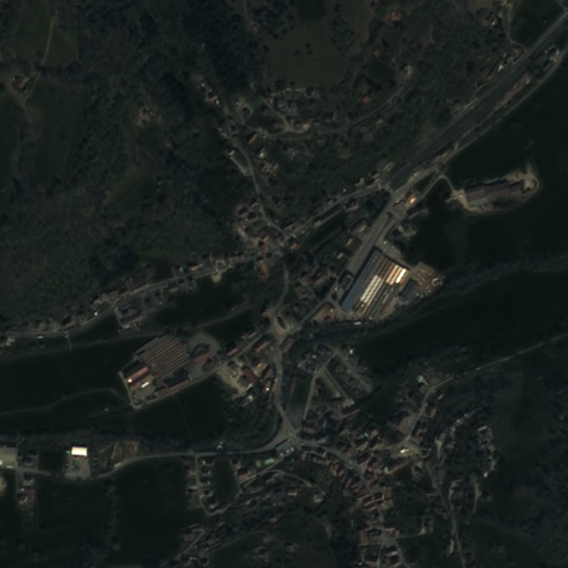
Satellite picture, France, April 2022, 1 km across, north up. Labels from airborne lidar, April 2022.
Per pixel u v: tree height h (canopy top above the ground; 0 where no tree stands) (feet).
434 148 0
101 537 0
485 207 0
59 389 0
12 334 0
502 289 0
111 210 69
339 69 0
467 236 0
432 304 0
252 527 19
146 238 94
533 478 0
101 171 90
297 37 0
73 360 0
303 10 0
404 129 95
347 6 0
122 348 0
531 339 0
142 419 0
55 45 0
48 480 0
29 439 65
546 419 0
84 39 91
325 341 54
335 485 22
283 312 0
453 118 0
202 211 68
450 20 89
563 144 0
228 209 0
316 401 29
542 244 0
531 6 0
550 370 0
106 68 109
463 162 0
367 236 0
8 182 0
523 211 0
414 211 0
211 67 20
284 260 30
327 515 33
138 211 0
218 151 0
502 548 32
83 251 68
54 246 85
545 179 0
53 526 0
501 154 0
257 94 62
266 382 0
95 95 46
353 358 0
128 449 0
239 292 0
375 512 0
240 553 0
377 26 58
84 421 0
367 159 74
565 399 36
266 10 50
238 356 0
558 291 0
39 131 0
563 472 66
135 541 0
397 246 45
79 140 0
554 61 0
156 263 0
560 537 47
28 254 53
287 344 0
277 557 0
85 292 85
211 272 0
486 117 0
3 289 82
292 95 19
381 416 0
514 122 26
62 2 81
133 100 67
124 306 0
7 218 45
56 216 79
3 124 0
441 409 0
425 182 0
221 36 72
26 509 0
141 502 0
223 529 0
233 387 0
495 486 0
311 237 0
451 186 0
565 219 0
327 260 24
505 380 0
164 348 0
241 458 43
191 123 83
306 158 37
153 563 0
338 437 37
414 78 0
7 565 0
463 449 0
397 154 61
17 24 69
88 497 0
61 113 0
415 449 0
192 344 0
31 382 0
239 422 0
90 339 0
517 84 0
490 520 49
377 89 48
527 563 0
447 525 52
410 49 53
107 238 77
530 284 0
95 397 0
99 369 0
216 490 0
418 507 0
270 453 0
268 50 49
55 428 0
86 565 75
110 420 0
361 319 0
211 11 73
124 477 0
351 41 34
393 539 0
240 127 25
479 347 0
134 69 94
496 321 0
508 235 0
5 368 0
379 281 0
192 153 78
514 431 0
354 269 0
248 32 32
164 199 39
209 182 0
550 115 0
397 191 0
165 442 73
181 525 0
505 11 48
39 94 0
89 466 0
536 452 0
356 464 0
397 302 0
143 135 0
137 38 86
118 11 109
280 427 34
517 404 0
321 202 46
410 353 0
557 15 0
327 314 0
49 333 0
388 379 30
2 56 27
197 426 0
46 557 37
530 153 36
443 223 0
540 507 0
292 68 0
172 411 0
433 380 0
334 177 79
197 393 0
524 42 0
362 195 0
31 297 61
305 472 0
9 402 0
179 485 0
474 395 44
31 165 52
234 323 0
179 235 72
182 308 0
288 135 0
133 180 0
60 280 43
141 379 0
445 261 0
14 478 0
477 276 75
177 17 22
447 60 68
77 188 77
